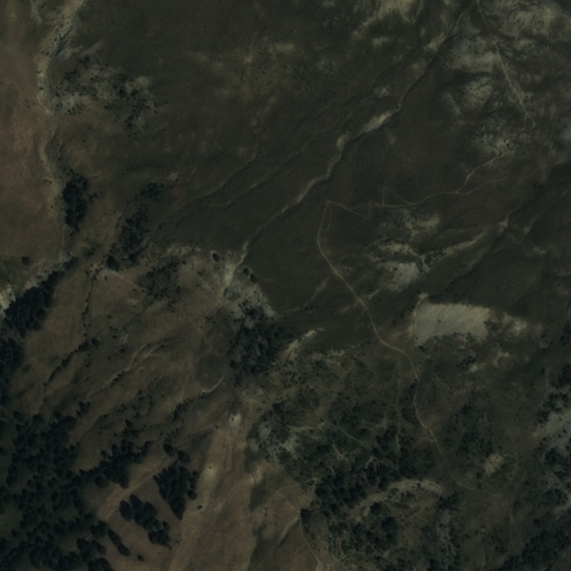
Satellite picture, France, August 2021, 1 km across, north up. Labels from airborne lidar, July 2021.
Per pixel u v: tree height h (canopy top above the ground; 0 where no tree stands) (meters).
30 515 25
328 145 0
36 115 0
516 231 0
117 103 0
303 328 0
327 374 0
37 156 0
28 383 0
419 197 0
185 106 0
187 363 0
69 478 14
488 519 0
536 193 0
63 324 0
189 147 0
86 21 0
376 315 0
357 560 0
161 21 0
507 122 0
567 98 0
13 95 0
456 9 0
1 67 0
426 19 0
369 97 0
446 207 0
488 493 0
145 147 0
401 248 0
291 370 0
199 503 0
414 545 0
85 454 0
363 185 0
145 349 0
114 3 0
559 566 0
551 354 0
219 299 0
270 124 0
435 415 0
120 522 0
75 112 0
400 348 0
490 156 0
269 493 0
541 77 0
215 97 0
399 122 0
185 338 0
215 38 0
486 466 0
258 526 0
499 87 0
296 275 0
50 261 0
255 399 0
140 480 0
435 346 0
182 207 0
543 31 0
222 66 0
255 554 0
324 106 0
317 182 0
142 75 0
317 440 0
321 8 0
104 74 0
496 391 0
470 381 0
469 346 0
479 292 0
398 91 0
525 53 0
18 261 0
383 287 0
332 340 0
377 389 0
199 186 0
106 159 0
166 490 24
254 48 0
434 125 0
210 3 0
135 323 0
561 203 0
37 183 0
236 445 0
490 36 0
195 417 0
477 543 0
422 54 0
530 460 0
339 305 0
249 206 0
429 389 0
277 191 0
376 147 0
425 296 0
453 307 0
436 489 0
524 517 0
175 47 0
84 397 0
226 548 0
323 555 0
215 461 0
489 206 0
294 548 0
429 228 0
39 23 0
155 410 0
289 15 0
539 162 0
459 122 0
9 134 0
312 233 0
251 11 0
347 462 0
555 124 0
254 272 0
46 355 0
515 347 0
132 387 0
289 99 0
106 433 0
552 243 0
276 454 0
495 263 0
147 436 0
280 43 0
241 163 0
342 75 0
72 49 0
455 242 0
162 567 0
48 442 24
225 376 0
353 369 0
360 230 0
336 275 0
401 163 0
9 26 0
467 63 0
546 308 0
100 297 0
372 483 7
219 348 0
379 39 0
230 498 0
